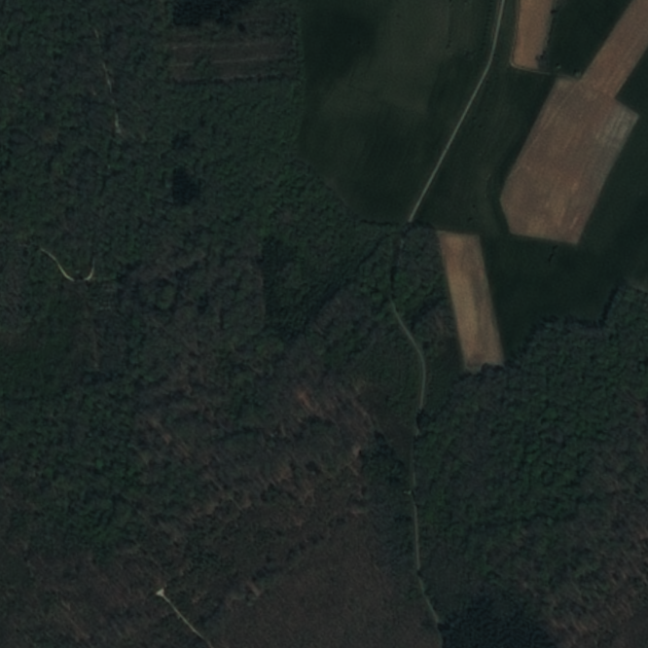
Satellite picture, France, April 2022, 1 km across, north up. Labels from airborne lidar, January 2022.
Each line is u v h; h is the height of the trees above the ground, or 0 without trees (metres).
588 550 25
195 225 25
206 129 24
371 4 0
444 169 0
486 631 19
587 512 32
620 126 0
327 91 0
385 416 0
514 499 29
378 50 0
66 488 31
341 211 20
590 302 0
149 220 23
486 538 26
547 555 31
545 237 0
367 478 16
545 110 0
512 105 0
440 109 0
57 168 27
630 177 0
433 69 0
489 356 0
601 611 16
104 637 31
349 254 7
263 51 0
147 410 22
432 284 28
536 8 0
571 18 0
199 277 27
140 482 15
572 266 0
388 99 0
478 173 0
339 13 0
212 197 28
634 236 0
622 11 0
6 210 10
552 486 23
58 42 19
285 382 24
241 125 23
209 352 17
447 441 24
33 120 27
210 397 29
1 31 24
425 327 28
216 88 17
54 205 27
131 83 23
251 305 26
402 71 0
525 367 15
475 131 0
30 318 32
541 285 0
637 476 28
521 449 21
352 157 0
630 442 25
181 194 17
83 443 31
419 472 21
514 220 0
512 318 0
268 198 23
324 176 0
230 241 27
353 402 14
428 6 0
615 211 0
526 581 18
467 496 29
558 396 26
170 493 28
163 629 11
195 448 29
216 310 26
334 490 8
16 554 18
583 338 27
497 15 0
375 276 24
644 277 0
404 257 25
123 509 28
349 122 0
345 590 19
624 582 16
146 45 24
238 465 25
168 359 26
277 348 24
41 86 32
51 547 21
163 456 31
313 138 0
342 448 26
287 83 19
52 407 22
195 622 6
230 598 25
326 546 23
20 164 27
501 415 21
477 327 0
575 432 28
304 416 26
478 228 0
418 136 0
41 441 30
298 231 13
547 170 0
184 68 0
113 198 24
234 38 0
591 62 0
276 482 23
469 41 0
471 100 0
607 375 25
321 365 16
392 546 17
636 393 23
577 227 0
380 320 29
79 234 33
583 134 0
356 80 0
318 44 0
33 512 20
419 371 11
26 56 31
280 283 11
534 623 15
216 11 23
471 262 0
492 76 0
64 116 29
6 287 31
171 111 23
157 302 27
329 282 9
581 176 0
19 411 28
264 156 22
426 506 26
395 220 0
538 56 0
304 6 0
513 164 0
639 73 0
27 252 30
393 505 10
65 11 28
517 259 0
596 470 29
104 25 24
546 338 18
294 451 24
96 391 28
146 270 29
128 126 28
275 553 9
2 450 24
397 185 0
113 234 24
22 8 26
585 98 0
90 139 24
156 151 23
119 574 18
